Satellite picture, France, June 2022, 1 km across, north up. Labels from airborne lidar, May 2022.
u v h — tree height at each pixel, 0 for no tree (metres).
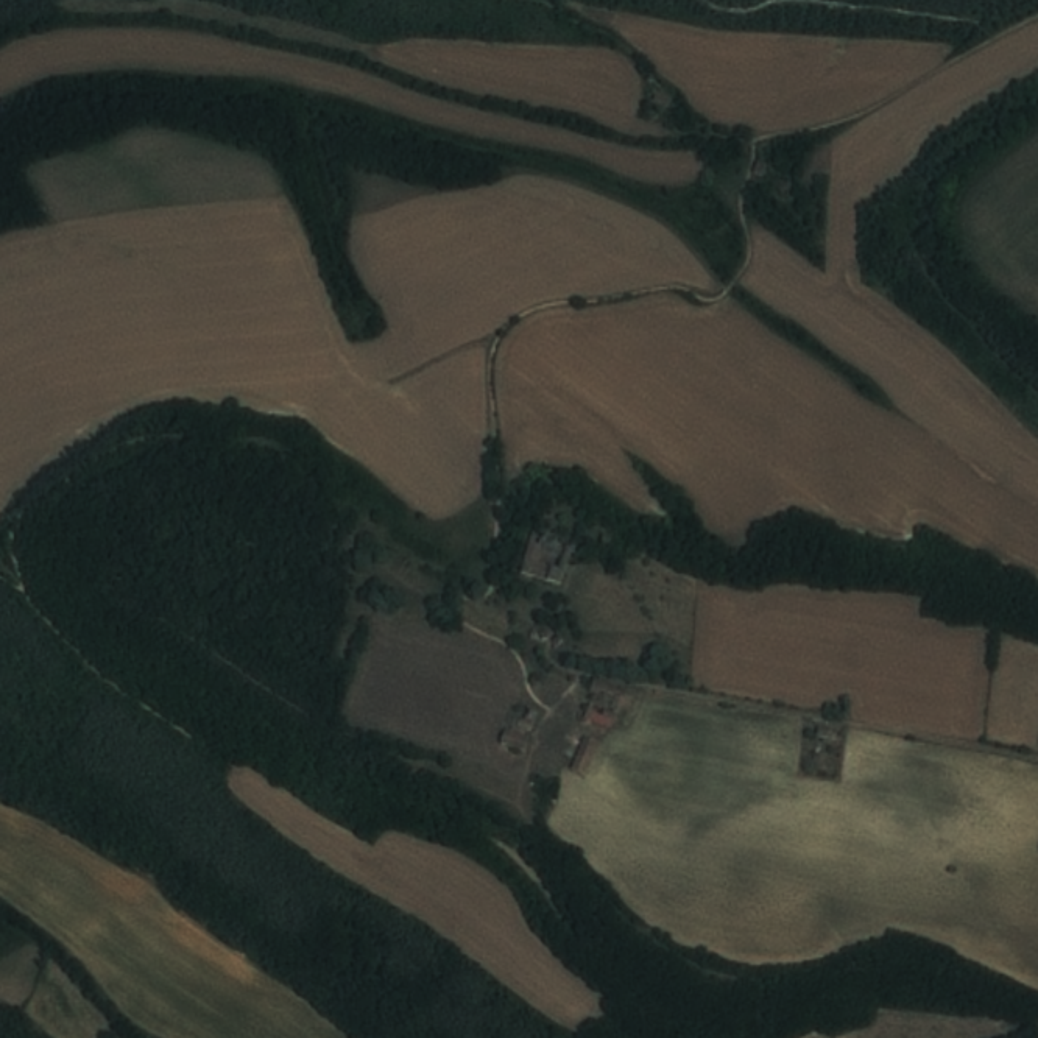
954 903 0
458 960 15
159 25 19
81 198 0
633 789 0
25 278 0
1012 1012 13
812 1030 9
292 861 11
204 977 0
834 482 0
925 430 0
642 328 0
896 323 0
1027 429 0
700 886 0
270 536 13
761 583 14
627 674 27
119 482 15
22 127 19
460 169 23
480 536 0
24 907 0
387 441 0
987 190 0
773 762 0
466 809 12
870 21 11
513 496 9
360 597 13
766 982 8
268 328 0
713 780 0
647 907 0
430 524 0
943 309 8
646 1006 20
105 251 0
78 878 0
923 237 18
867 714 0
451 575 6
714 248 0
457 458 0
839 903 0
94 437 10
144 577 11
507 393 0
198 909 15
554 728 0
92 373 0
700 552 16
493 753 0
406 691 0
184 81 13
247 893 15
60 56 0
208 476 15
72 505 13
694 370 0
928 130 0
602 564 7
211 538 9
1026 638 10
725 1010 17
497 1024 9
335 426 0
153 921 0
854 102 0
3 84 0
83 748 15
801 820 0
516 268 0
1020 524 0
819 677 0
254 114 18
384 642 0
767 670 0
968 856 0
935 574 9
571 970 16
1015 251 0
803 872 0
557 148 0
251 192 0
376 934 12
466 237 0
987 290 17
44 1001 0
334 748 16
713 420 0
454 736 0
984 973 9
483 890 0
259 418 11
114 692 10
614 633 0
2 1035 10
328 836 0
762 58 0
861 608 0
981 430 0
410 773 7
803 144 11
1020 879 0
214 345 0
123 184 0
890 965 13
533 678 9
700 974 9
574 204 0
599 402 0
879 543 7
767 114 0
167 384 0
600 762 0
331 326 0
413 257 0
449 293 0
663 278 0
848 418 0
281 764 13
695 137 13
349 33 8
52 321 0
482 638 0
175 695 15
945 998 12
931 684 0
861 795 0
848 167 0
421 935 13
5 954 0
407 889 0
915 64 0
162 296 0
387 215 0
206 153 0
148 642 13
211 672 12
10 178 16
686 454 0
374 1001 16
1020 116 16
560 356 0
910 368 0
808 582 14
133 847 13
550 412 0
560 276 0
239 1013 0
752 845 0
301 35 0
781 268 0
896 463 0
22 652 13
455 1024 16
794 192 11
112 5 0
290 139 10
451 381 0
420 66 0
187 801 7
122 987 0
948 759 0
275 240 0
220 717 18
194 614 10
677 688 10
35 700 12
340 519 11
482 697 0
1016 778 0
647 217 0
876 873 0
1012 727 0
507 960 0
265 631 13
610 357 0
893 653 0
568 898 13
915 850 0
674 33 0
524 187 0
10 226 13
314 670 7
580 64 0
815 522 15
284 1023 0
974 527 0
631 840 0
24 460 0
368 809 18
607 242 0
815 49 0
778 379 0
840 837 0
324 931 18
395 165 17
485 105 13
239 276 0
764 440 0
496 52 0
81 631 12
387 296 0
